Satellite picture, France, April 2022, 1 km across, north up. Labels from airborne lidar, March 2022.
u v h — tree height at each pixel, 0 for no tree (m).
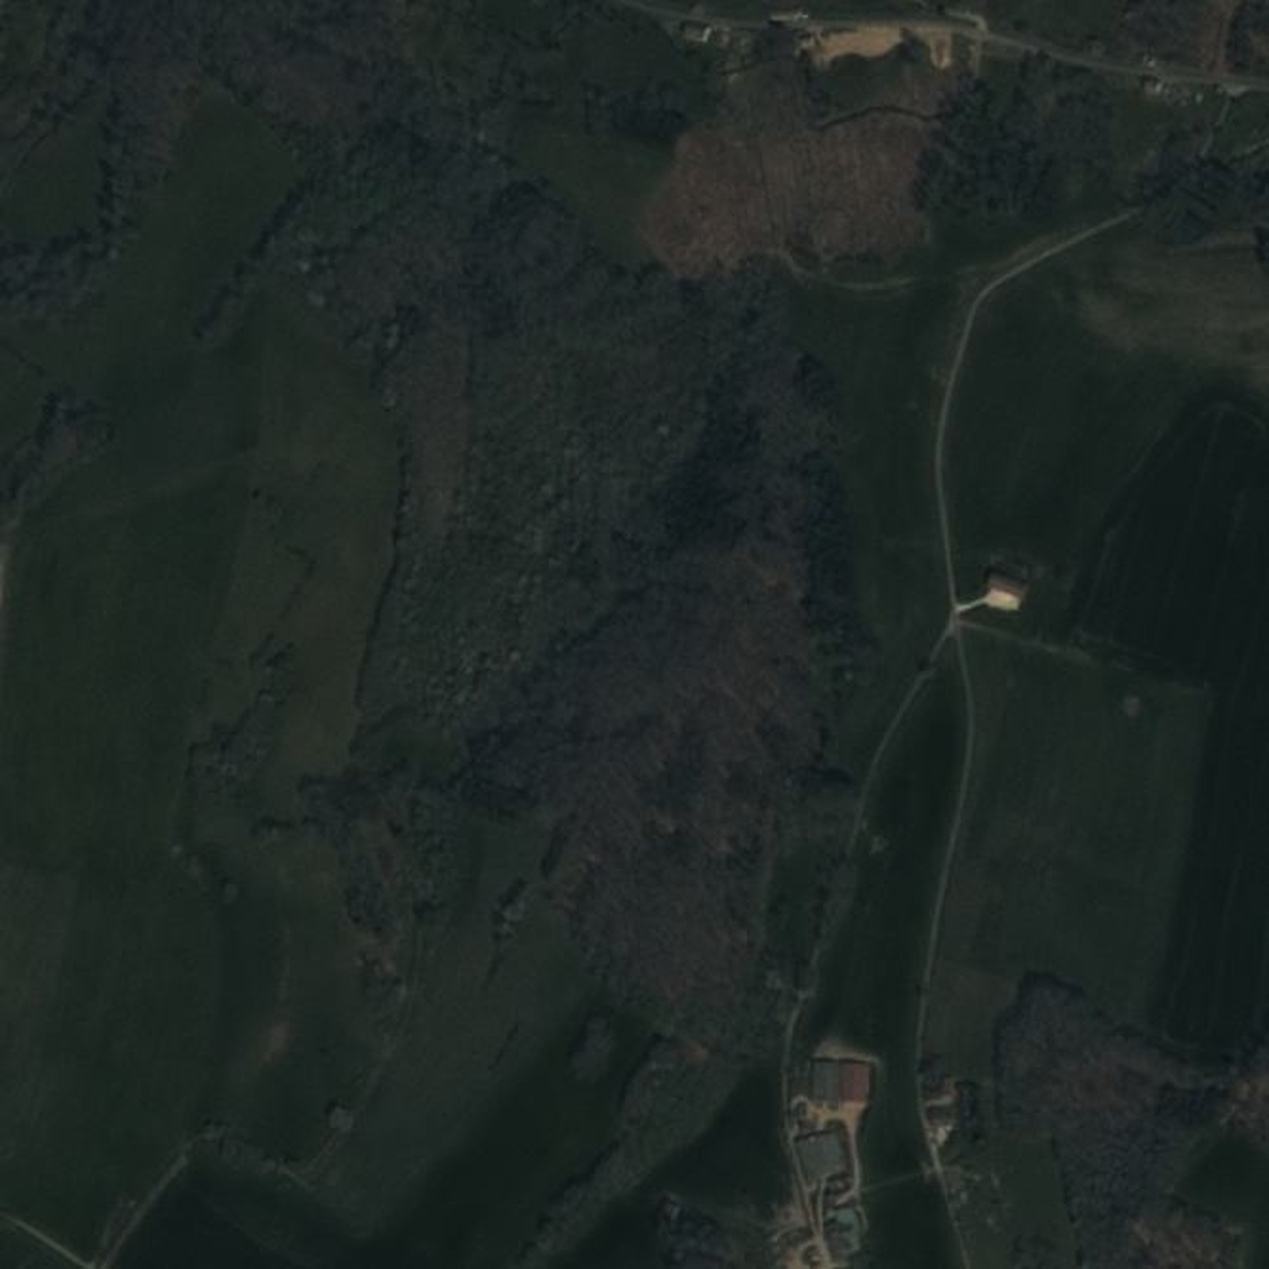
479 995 0
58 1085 0
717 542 22
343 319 21
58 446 23
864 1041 0
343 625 0
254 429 0
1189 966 0
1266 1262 0
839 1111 0
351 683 0
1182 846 0
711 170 0
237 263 0
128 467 0
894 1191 0
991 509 0
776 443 22
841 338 0
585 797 32
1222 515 0
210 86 17
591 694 32
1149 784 0
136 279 0
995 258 0
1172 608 0
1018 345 0
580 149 0
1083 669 0
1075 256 0
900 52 0
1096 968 0
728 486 26
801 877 0
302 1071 0
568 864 22
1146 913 0
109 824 0
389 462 0
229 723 0
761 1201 0
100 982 0
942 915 0
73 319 8
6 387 0
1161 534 0
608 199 0
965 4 0
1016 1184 0
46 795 0
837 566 26
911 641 0
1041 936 0
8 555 0
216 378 0
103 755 0
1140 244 0
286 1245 0
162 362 0
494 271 30
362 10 32
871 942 0
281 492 0
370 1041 0
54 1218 0
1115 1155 18
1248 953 0
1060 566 0
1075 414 0
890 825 0
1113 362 0
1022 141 24
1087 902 0
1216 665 0
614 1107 0
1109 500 0
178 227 0
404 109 23
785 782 30
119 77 31
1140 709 0
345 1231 0
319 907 0
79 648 0
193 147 0
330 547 0
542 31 0
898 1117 0
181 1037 0
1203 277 0
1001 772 0
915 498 0
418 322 22
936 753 0
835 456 19
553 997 0
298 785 0
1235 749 0
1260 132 0
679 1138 26
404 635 17
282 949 0
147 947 0
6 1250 0
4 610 0
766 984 23
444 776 0
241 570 0
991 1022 0
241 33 29
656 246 0
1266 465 0
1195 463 0
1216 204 31
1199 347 0
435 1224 0
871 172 0
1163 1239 20
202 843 0
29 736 0
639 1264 0
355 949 0
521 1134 0
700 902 34
